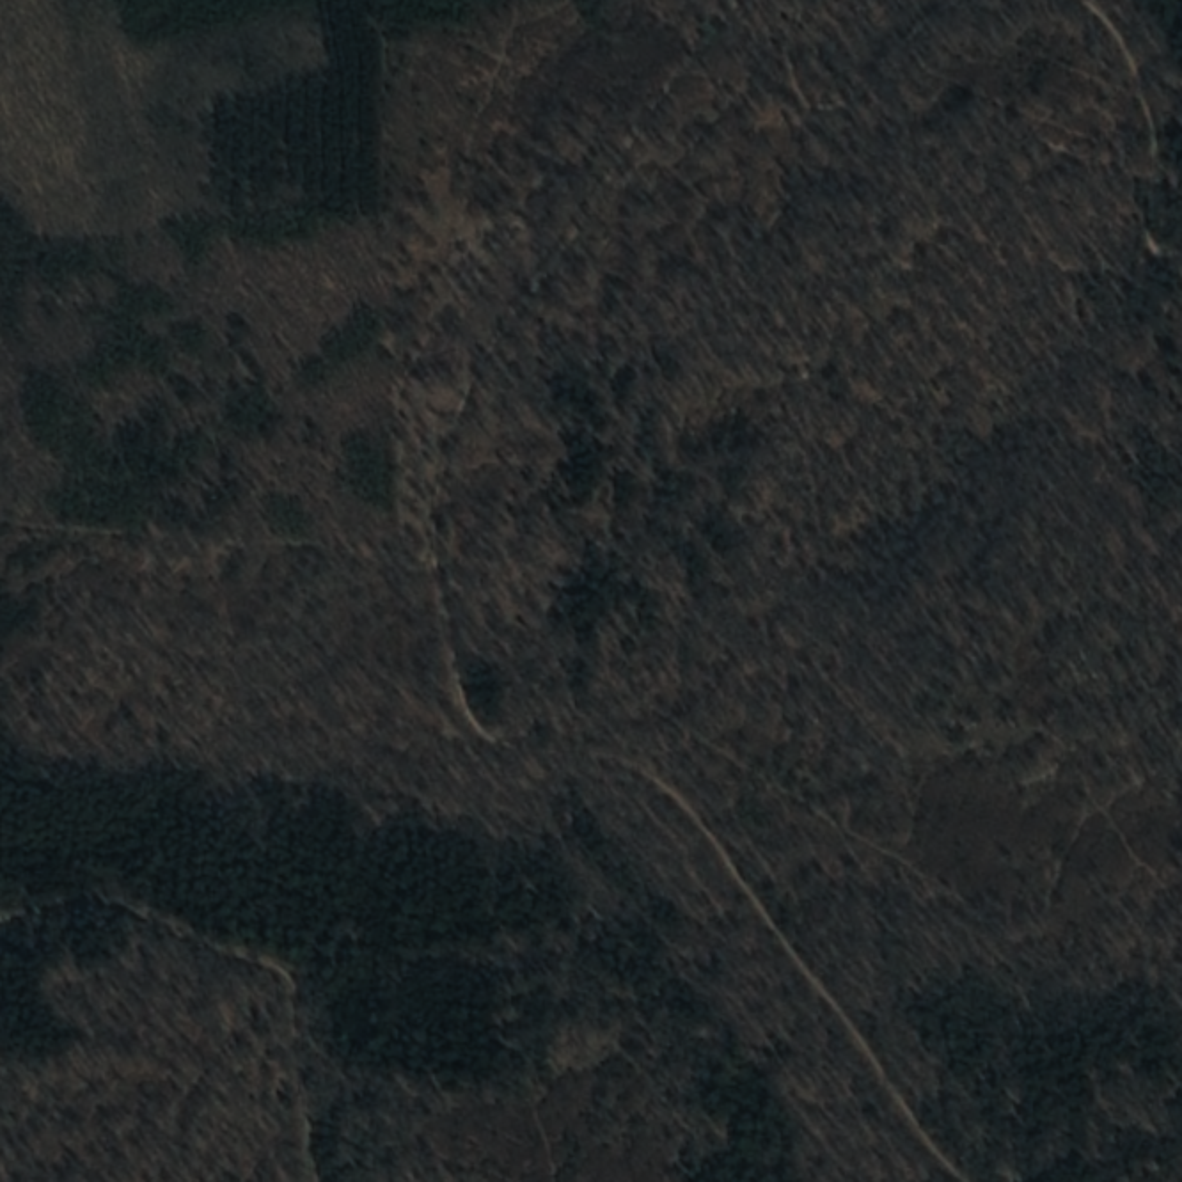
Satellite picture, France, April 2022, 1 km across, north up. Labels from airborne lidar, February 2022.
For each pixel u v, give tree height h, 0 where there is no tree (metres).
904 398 30
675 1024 23
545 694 25
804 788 25
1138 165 27
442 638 7
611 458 26
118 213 0
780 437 26
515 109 8
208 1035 28
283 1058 27
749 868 24
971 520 35
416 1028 10
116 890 21
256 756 27
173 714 27
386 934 10
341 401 0
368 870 33
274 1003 28
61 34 0
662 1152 8
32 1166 31
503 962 26
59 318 20
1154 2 31
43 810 27
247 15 21
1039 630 29
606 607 22
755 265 33
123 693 30
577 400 21
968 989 21
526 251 34
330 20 18
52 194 0
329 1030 25
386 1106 24
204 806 25
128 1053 28
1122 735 37
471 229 0
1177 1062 25
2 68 0
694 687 27
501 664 22
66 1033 27
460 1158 6
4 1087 26
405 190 11
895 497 33
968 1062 28
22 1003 27
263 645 29
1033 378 34
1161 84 31
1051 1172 26
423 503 23
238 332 22
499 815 30
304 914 10
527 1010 13
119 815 29
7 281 21
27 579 6
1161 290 27
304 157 19
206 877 28
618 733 29
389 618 13
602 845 28
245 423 19
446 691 27
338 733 26
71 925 23
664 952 27
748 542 26
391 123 12
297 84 20
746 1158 20
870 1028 22
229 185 17
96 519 14
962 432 34
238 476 19
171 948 28
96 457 17
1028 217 0
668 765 29
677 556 19
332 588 27
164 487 20
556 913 24
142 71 0
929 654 29
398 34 14
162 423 21
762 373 30
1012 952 29
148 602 29
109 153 0
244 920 34
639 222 31
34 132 0
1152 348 30
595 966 31
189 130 16
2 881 23
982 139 29
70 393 13
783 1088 28
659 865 31
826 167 39
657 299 0
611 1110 28
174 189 0
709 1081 29
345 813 27
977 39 0
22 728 26
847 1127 28
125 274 15
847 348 30
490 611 8
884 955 25
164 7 19
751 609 28
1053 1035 23
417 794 27
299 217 16
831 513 34
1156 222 22
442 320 0
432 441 28
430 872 28
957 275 28
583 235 13
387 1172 23
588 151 27
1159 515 39
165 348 18
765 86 32
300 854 33
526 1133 7
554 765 27
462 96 10
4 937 8
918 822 7
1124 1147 26
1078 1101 29
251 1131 30
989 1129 26
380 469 20
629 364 30
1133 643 34
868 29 34
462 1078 23
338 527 0
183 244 18
